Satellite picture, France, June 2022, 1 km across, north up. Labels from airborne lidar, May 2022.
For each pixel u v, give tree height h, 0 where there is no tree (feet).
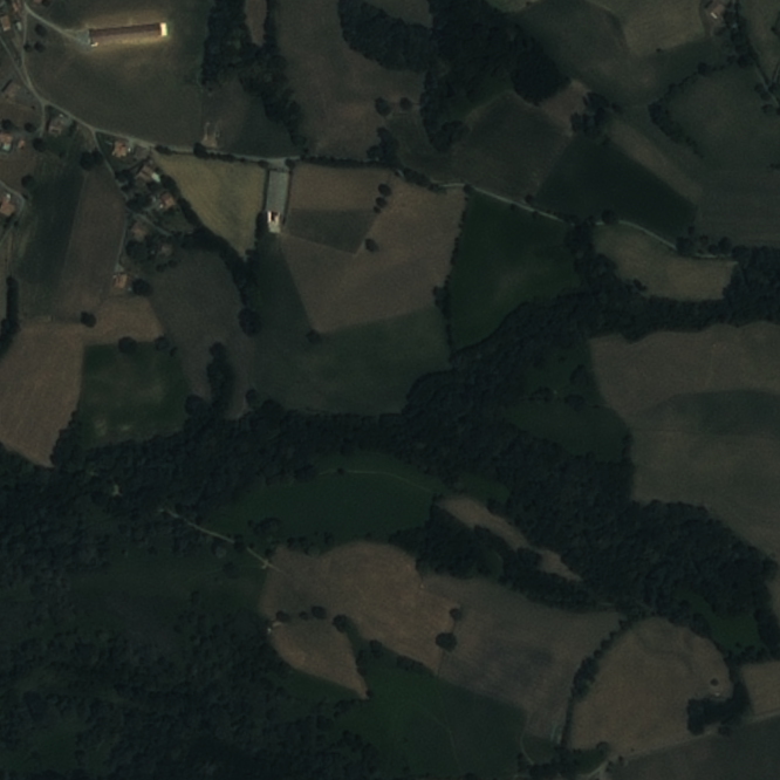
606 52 0
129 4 0
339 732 0
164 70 0
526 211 0
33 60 0
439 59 78
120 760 57
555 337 71
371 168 27
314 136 0
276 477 39
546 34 0
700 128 0
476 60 52
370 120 0
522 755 24
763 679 0
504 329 32
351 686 0
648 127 0
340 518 0
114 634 20
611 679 0
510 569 53
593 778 0
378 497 0
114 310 0
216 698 44
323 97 0
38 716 64
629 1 0
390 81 0
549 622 0
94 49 0
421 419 90
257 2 0
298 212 0
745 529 0
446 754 0
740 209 0
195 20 0
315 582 0
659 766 0
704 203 0
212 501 82
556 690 0
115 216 0
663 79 0
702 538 70
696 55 0
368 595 0
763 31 0
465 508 0
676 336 0
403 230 0
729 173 0
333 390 0
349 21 68
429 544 46
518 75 61
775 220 0
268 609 0
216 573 0
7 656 60
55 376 0
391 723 0
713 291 0
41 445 0
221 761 46
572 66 0
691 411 0
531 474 91
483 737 0
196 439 17
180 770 68
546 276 0
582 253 59
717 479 0
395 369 0
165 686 31
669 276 0
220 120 0
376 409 0
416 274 0
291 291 0
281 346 0
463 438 83
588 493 68
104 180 0
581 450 0
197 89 0
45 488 76
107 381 0
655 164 0
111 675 51
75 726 0
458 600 0
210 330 0
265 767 52
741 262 65
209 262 0
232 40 70
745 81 0
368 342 0
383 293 0
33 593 35
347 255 0
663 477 0
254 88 61
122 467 62
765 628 56
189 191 0
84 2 0
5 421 0
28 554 37
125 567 0
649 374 0
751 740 0
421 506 0
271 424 49
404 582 0
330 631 0
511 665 0
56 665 39
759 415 0
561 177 0
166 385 0
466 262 0
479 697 0
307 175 0
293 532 0
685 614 37
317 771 30
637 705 0
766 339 0
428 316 0
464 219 29
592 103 47
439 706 0
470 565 61
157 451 61
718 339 0
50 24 0
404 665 41
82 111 0
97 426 0
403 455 55
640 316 65
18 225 31
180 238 39
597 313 87
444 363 0
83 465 77
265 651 40
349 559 0
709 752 0
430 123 58
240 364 0
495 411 57
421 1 0
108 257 0
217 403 51
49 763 0
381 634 0
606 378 0
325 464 0
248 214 0
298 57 0
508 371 60
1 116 0
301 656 0
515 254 0
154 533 42
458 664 0
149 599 0
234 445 76
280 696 36
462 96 54
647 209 0
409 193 0
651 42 0
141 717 22
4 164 0
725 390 0
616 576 46
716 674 0
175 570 0
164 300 0
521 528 35
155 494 98
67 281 0
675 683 0
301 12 0
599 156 0
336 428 32
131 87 0
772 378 0
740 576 93
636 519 81
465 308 0
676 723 0
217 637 30
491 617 0
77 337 0
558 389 0
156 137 0
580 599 43
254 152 0
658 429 0
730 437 0
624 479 52
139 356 0
